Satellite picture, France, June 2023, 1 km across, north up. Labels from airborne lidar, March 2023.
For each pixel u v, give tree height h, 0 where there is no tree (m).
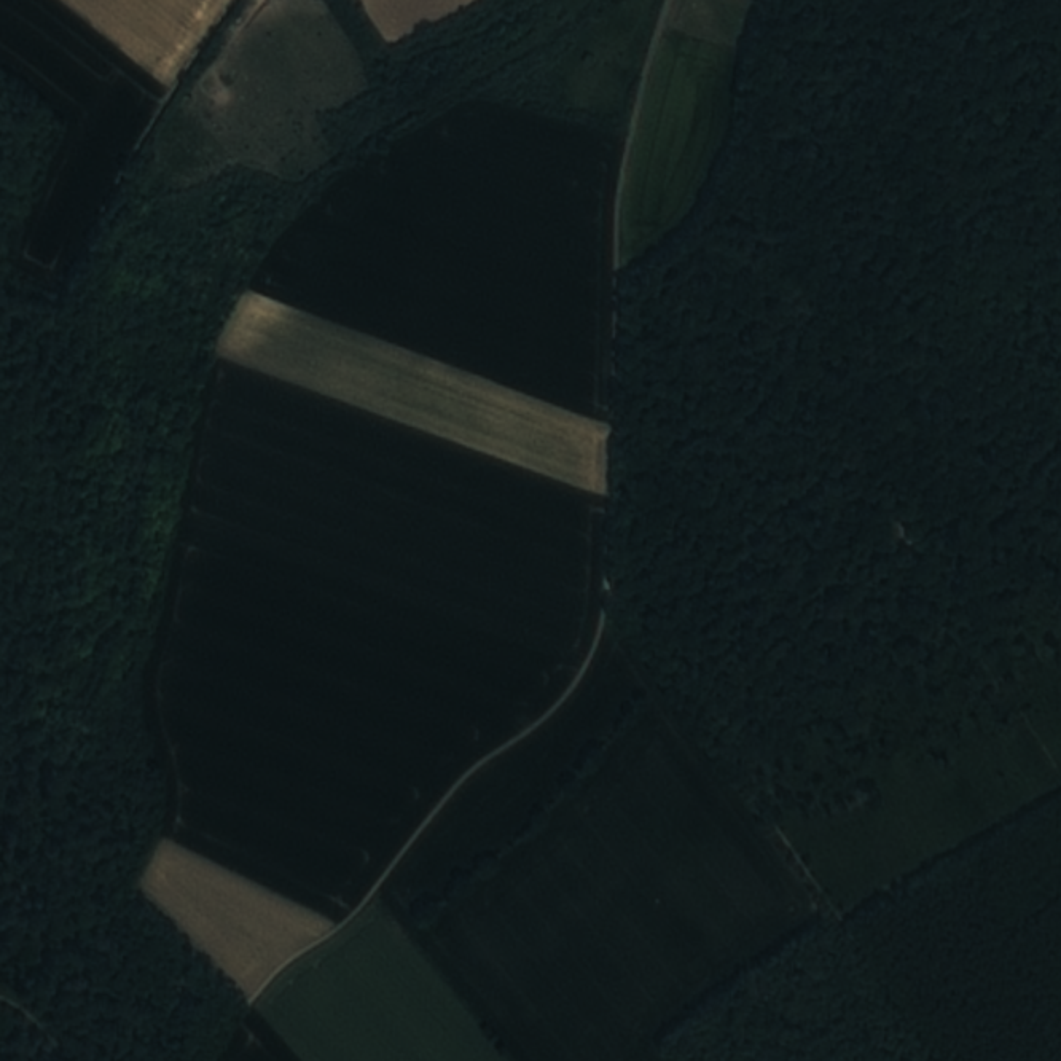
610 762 0
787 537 29
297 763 0
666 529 18
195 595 0
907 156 25
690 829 0
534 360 0
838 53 15
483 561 0
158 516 17
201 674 0
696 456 27
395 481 0
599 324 0
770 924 0
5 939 23
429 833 0
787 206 22
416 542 0
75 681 21
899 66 22
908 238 26
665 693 17
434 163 0
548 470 0
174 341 14
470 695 0
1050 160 24
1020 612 13
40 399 31
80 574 21
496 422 0
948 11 18
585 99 0
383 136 7
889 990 15
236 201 9
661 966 0
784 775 25
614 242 0
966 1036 17
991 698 25
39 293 12
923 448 29
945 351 21
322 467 0
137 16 0
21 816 23
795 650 25
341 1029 0
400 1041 0
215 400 0
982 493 27
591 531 0
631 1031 0
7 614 28
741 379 25
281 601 0
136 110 0
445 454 0
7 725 27
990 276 21
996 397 21
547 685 0
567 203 0
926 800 0
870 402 27
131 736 22
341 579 0
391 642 0
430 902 18
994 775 0
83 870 25
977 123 24
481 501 0
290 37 0
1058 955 20
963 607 23
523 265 0
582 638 0
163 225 8
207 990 24
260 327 0
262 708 0
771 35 21
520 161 0
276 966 0
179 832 0
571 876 0
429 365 0
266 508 0
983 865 15
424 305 0
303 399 0
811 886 12
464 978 0
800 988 22
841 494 22
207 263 8
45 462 23
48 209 0
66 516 21
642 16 0
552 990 0
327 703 0
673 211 0
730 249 24
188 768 0
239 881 0
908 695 22
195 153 0
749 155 21
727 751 21
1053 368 19
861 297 25
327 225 0
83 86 0
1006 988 18
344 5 6
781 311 25
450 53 6
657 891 0
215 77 0
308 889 0
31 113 25
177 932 21
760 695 21
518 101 6
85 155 0
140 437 12
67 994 26
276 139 0
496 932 0
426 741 0
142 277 17
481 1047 0
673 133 0
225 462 0
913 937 18
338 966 0
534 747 0
